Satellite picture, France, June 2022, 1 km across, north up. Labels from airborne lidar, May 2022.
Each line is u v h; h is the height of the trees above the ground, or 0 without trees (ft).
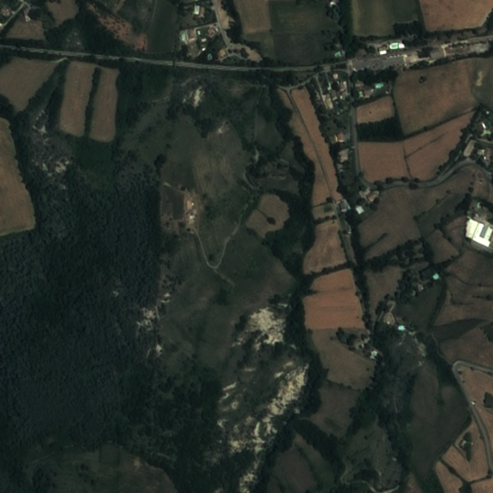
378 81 52
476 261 0
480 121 28
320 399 31
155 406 24
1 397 35
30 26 0
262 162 34
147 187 29
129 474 0
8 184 0
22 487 44
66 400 31
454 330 0
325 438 54
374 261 43
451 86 0
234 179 0
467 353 0
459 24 0
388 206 0
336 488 33
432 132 0
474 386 0
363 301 44
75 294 50
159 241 39
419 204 0
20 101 0
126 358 37
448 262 38
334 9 56
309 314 0
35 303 49
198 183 0
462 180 0
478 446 0
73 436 39
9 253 41
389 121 39
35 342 57
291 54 0
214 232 0
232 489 26
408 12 0
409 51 0
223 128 0
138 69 21
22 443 44
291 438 43
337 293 0
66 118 0
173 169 0
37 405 44
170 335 0
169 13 0
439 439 0
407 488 0
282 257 31
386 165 0
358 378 0
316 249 0
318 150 0
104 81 0
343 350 0
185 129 0
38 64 0
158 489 0
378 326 43
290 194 49
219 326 0
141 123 0
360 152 0
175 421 25
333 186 0
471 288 0
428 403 0
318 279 0
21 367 36
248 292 0
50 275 45
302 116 0
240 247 0
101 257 42
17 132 49
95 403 45
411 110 0
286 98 0
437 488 19
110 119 0
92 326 57
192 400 37
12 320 24
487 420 0
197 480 21
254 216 0
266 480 43
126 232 33
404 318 31
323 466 0
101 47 38
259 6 0
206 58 20
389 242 0
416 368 0
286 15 0
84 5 37
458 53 20
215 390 35
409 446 25
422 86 0
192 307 0
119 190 37
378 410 24
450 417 0
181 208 0
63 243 42
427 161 0
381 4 0
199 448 30
